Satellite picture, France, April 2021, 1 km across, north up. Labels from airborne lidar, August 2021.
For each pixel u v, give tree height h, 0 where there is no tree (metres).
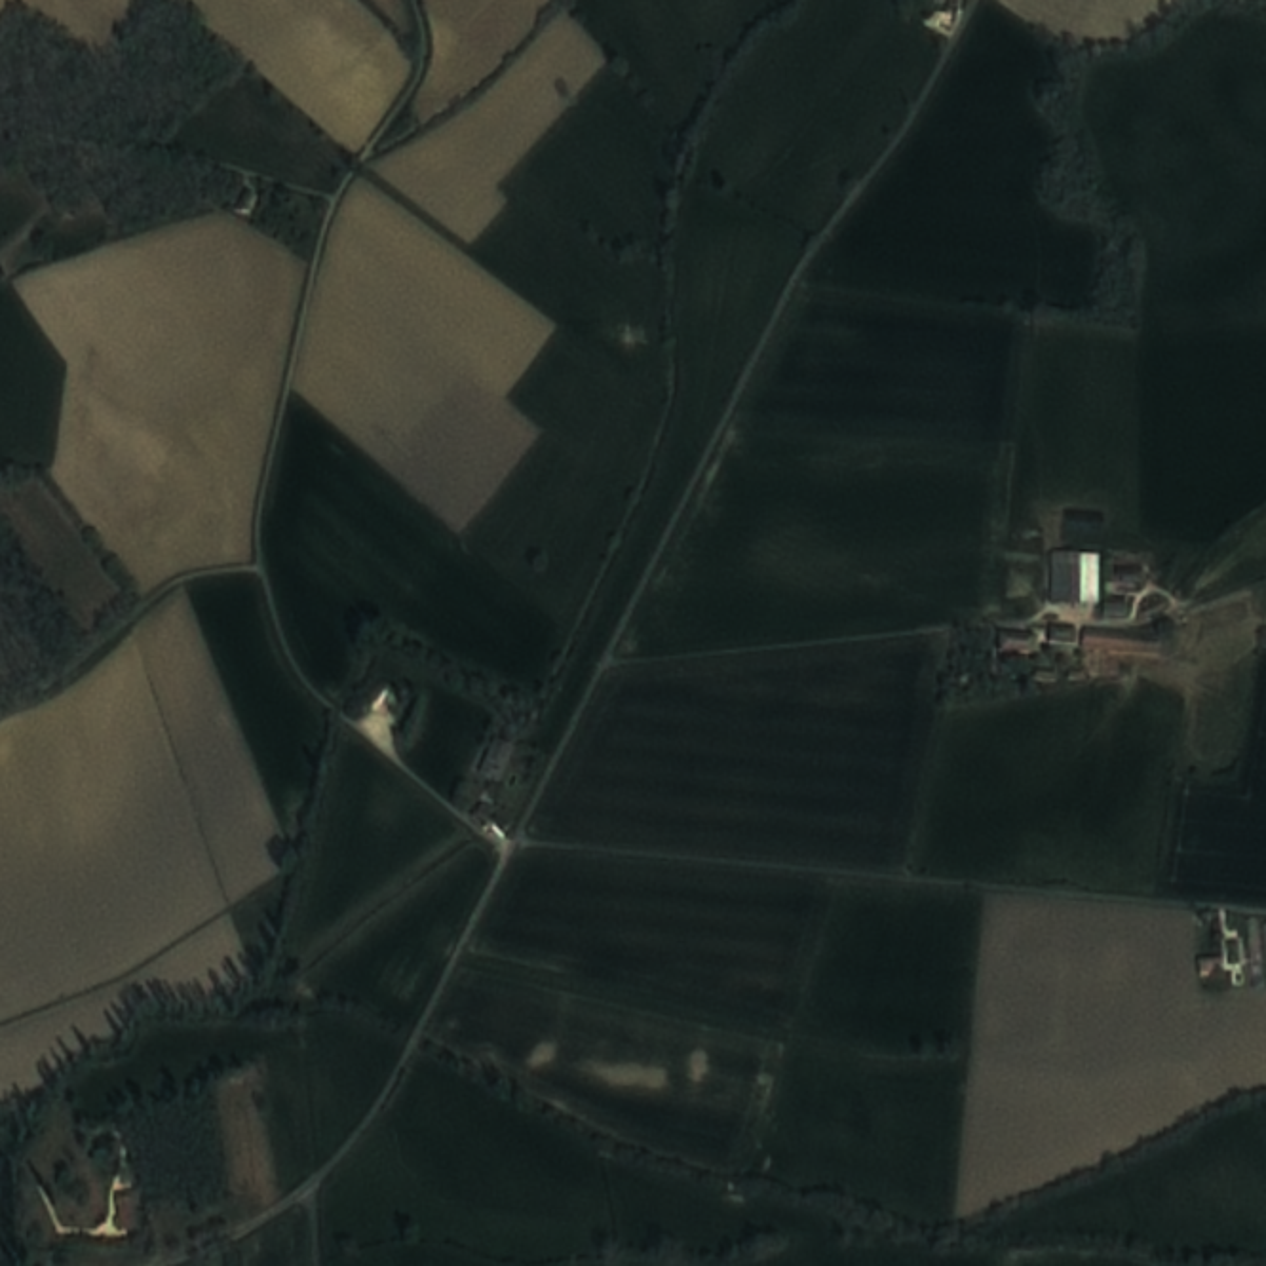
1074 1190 12
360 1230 0
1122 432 0
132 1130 20
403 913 0
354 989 0
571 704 0
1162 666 0
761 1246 20
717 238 0
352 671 0
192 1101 14
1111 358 0
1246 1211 0
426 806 0
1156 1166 0
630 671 0
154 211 16
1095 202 11
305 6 0
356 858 0
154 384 0
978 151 0
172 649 0
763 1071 0
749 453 0
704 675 0
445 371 0
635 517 0
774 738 0
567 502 0
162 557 0
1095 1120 0
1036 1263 0
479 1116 0
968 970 0
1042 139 0
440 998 0
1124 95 0
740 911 0
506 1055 0
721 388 0
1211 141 0
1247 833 0
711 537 0
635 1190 0
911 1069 0
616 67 25
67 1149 0
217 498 0
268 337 0
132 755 0
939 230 0
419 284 0
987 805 0
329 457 0
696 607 0
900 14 18
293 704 0
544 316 0
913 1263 0
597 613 0
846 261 0
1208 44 0
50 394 0
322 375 0
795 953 0
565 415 0
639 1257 11
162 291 0
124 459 0
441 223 0
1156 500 0
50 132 19
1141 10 0
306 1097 0
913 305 0
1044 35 11
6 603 18
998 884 0
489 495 0
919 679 0
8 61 16
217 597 0
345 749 0
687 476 0
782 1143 0
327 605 0
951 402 0
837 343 0
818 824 0
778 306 0
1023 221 0
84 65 20
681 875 0
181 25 24
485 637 0
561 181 0
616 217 0
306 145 0
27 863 0
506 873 0
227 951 0
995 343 0
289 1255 0
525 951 0
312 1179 0
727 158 0
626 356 0
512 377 0
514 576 0
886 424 0
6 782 0
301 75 0
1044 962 0
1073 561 0
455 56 0
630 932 0
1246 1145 0
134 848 0
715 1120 0
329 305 0
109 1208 0
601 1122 0
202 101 18
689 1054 0
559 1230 0
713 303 0
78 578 0
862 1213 17
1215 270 0
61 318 0
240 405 0
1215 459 0
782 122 0
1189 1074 0
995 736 0
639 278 0
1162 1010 0
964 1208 0
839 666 0
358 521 0
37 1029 0
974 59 0
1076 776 0
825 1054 0
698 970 0
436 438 0
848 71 0
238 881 0
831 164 0
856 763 0
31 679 20
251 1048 0
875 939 0
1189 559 0
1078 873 0
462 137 0
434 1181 0
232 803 0
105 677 0
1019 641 0
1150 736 0
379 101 0
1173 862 0
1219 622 0
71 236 0
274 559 0
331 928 0
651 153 0
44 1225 0
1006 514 0
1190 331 0
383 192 0
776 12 9
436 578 0
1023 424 0
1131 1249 9
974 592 0
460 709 0
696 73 0
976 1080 0
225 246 0
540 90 0
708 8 0
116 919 0
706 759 0
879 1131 0
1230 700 0
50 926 0
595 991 0
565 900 0
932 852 0
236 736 0
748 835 0
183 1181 23
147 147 17
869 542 0
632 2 0
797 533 0
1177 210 0
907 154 0
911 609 0
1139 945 0
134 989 0
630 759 0
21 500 0
